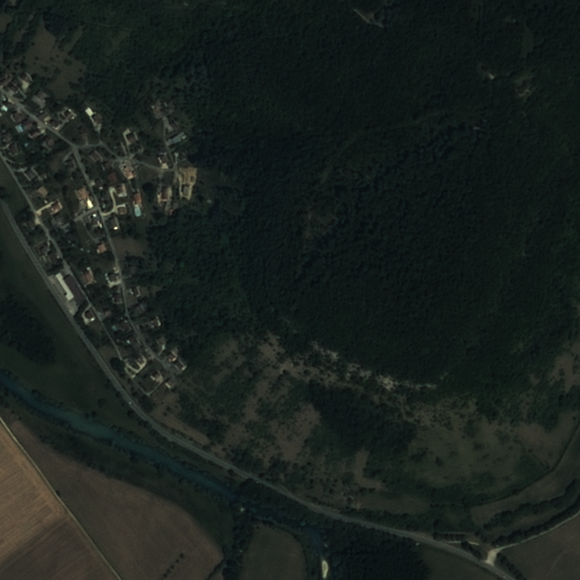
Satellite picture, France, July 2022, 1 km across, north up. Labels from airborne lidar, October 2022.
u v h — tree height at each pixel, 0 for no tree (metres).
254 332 8
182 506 0
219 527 0
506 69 9
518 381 7
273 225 9
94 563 0
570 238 10
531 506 12
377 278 17
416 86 19
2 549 0
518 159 18
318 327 13
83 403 0
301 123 14
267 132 10
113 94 7
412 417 12
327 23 14
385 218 21
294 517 13
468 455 0
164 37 11
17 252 0
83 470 0
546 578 0
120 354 0
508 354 12
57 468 0
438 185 18
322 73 15
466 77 17
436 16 17
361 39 14
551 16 13
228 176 24
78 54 8
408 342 14
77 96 7
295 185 14
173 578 0
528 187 20
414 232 14
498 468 0
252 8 17
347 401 15
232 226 11
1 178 0
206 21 10
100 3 9
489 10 13
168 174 0
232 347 0
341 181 9
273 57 16
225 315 11
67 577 0
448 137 19
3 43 8
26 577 0
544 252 19
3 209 0
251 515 9
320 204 8
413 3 19
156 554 0
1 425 0
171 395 0
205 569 0
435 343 15
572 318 12
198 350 16
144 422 8
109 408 0
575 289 9
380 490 0
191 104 11
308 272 17
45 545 0
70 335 0
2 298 0
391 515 7
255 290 19
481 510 0
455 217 14
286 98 15
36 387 0
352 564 21
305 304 15
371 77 20
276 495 17
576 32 15
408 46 17
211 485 0
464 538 12
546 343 10
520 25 13
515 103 17
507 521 17
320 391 11
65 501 0
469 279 19
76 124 0
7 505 0
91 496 0
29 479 0
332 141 19
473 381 13
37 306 0
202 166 26
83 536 0
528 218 16
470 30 11
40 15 6
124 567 0
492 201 23
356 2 18
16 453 0
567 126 20
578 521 0
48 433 0
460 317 15
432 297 15
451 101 23
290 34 16
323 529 6
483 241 19
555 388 7
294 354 9
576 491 6
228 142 18
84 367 0
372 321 12
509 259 17
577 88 18
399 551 20
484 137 18
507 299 16
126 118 7
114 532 0
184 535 0
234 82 17
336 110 18
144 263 13
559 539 0
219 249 8
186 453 7
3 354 0
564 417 0
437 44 14
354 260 17
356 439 15
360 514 9
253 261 21
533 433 0
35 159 8
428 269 20
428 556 0
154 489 0
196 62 17
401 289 8
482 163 17
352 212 17
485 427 0
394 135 6
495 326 15
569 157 18
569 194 22
